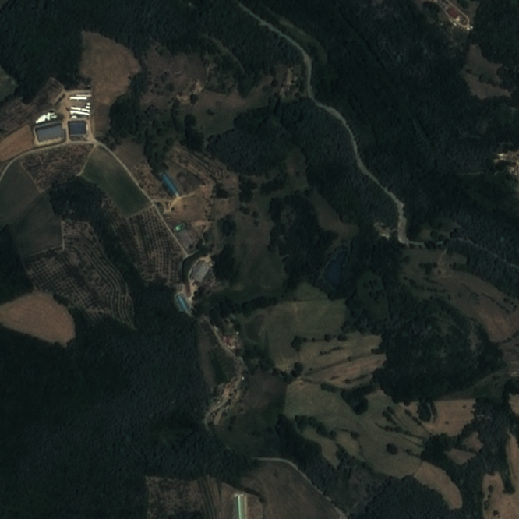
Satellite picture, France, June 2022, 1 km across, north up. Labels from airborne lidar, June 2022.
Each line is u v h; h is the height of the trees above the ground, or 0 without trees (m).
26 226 0
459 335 7
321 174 17
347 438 0
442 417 0
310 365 0
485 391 0
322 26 22
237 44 16
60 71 12
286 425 19
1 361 12
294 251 9
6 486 14
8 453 10
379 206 9
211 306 0
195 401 9
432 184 25
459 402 0
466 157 17
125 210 0
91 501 12
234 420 9
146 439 21
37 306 0
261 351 9
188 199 0
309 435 0
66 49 17
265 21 13
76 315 9
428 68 8
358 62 22
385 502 20
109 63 0
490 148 16
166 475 18
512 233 31
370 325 10
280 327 0
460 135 15
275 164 15
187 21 12
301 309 0
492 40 9
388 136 12
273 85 13
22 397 13
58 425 9
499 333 0
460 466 11
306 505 0
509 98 7
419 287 6
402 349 12
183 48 10
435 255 0
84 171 0
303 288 0
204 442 17
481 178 6
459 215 24
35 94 15
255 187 14
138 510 8
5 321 0
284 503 0
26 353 11
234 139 15
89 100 0
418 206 11
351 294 15
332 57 19
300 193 21
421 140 22
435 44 9
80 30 17
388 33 7
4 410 11
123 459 23
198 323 13
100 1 20
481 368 13
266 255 0
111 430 21
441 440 18
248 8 10
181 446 6
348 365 0
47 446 20
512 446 0
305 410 0
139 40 17
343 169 17
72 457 18
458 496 0
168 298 13
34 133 0
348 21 18
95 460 22
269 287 0
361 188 14
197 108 0
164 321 14
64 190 14
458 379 10
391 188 14
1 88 0
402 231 0
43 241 0
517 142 7
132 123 21
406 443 0
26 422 12
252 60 15
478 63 0
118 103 14
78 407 13
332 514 0
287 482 0
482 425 9
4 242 12
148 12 29
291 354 0
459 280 0
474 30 9
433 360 7
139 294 9
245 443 0
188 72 0
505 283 17
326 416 0
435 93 10
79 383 12
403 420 0
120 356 18
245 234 0
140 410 19
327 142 15
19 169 0
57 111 0
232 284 8
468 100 11
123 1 15
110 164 0
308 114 31
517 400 0
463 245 20
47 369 10
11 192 0
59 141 0
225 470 16
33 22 18
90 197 17
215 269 10
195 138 21
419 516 18
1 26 20
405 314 16
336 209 14
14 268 13
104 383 15
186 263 19
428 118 10
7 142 0
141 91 9
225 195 12
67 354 9
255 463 10
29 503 14
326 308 0
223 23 22
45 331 0
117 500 12
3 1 0
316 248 16
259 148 14
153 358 22
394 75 10
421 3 0
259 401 0
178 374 18
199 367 15
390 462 0
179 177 0
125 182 0
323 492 8
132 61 0
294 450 5
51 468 19
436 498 13
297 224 8
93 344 9
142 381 22
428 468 0
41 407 12
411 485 16
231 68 15
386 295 13
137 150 0
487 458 13
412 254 0
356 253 16
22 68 20
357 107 19
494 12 14
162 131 15
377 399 0
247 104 0
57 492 16
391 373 11
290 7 16
